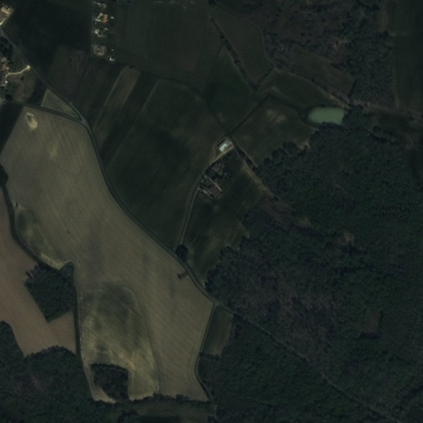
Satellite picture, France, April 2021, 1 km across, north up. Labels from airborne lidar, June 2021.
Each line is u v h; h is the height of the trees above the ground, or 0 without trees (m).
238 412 29
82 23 0
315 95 0
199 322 0
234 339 15
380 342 21
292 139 0
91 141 0
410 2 0
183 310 0
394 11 0
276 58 7
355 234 20
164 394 0
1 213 0
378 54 23
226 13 0
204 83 0
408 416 10
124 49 0
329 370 19
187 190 0
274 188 18
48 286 15
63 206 0
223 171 7
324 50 16
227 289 22
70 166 0
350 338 21
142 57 0
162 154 0
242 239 0
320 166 17
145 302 0
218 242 0
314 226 18
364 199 19
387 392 22
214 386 11
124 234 0
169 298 0
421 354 25
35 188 0
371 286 26
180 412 0
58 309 14
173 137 0
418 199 24
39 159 0
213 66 0
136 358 0
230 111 0
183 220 0
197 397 0
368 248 22
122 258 0
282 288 11
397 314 23
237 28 0
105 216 0
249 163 15
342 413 11
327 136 22
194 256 0
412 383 10
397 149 20
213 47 0
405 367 28
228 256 21
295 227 19
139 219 0
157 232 0
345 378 17
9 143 0
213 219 0
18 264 0
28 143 0
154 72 0
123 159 0
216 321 0
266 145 0
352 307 22
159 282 0
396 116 0
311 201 21
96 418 23
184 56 0
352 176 13
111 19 0
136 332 0
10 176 0
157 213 0
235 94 0
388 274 18
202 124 0
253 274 20
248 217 10
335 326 18
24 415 20
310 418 27
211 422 20
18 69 0
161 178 0
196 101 0
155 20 0
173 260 0
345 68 18
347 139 22
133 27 0
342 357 15
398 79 0
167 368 0
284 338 22
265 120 0
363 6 20
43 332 0
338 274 29
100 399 0
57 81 0
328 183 17
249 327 21
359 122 22
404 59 0
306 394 24
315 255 27
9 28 0
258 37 0
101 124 0
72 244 0
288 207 10
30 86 0
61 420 23
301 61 0
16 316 0
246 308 13
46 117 0
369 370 17
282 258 23
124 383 18
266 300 18
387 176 21
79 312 0
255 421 22
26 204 0
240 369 15
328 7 11
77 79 0
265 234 20
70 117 0
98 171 0
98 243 0
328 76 0
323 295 19
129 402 16
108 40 0
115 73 0
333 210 21
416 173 0
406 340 22
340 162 18
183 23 0
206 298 0
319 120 0
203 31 0
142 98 0
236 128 0
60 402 23
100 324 0
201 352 0
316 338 21
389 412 21
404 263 14
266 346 20
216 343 0
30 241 0
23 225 0
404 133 0
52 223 0
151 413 0
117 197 0
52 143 0
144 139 0
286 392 26
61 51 0
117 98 0
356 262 28
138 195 0
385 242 19
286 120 0
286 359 24
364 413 23
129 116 0
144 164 0
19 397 20
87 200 0
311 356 17
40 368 21
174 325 0
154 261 0
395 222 23
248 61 0
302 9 11
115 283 0
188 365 0
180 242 0
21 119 0
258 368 21
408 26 0
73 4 0
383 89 20
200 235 0
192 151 0
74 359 23
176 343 0
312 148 16
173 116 0
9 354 18
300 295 19
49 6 0
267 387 21
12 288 0
